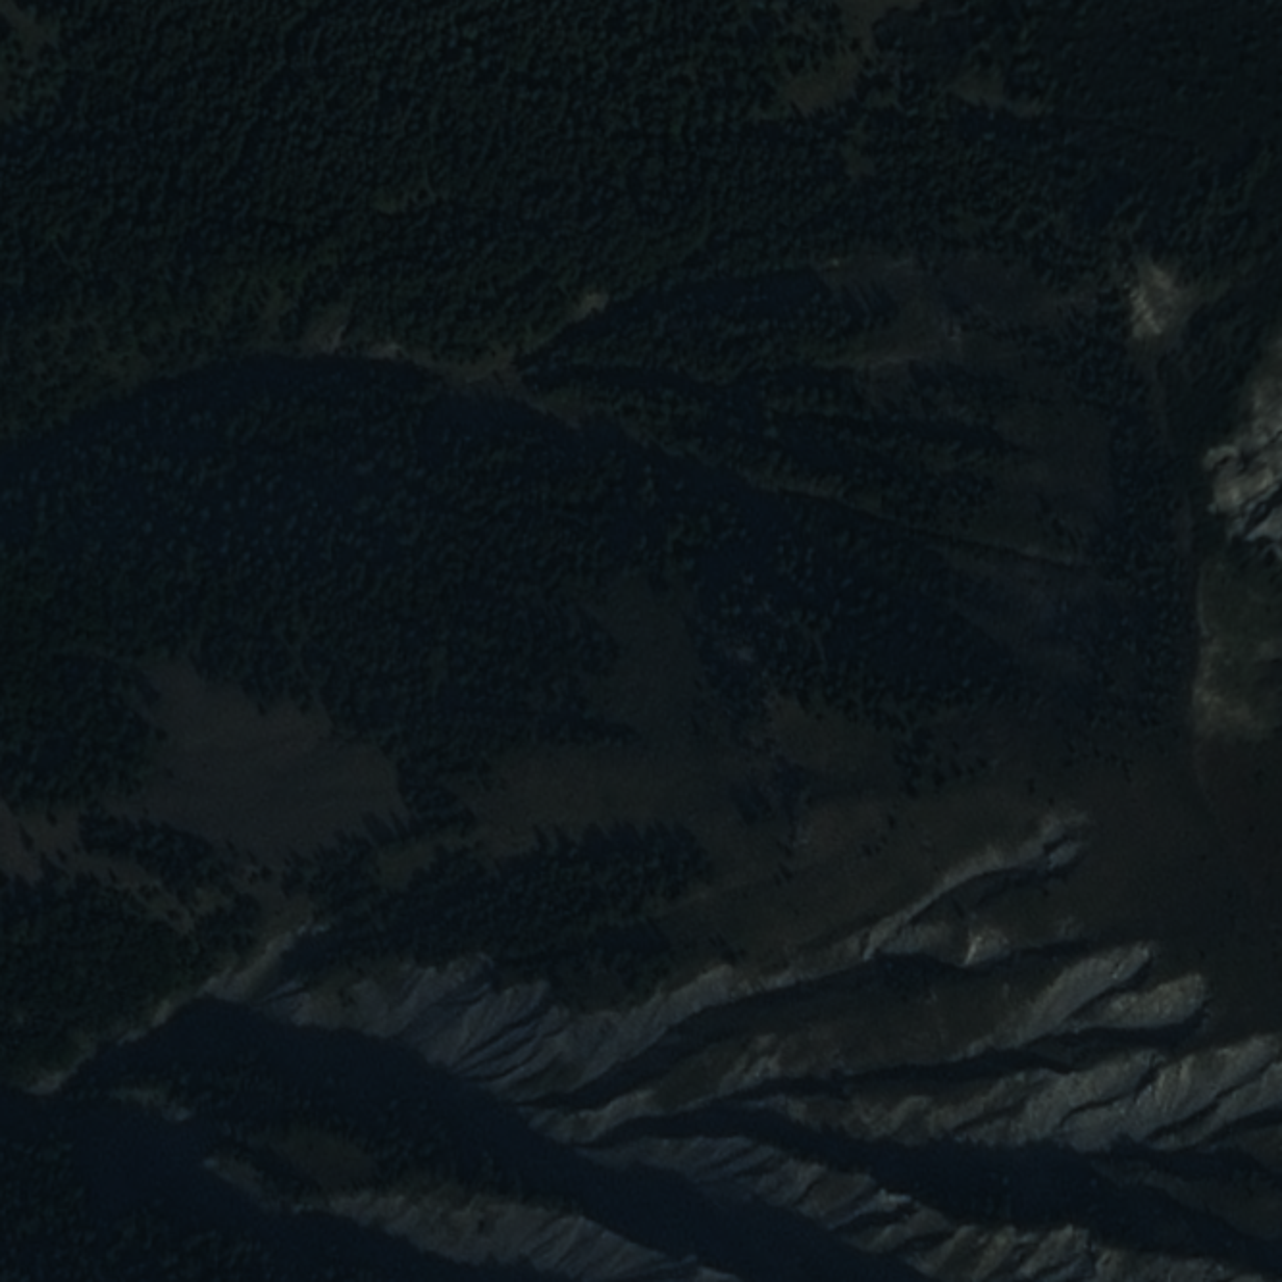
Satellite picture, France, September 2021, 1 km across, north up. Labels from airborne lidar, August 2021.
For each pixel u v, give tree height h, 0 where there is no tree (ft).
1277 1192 0
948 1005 0
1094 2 21
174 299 36
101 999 28
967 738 0
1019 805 0
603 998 0
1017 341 33
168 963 36
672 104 84
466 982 0
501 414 22
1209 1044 0
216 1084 36
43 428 50
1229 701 0
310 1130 30
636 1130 0
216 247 78
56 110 21
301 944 0
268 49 55
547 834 0
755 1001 0
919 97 41
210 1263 34
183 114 80
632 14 53
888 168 46
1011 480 0
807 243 65
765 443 38
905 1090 0
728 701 26
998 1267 0
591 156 72
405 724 73
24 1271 31
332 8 56
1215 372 28
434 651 57
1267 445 0
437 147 52
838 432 28
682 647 0
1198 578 0
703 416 36
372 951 38
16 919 36
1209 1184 0
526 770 0
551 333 29
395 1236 0
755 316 41
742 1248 0
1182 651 0
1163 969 0
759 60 65
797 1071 0
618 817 0
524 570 51
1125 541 24
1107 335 33
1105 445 0
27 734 36
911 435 36
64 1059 46
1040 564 0
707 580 39
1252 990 0
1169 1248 0
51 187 74
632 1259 0
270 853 0
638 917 42
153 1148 0
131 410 46
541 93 70
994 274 0
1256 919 0
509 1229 0
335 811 0
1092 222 18
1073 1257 0
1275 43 21
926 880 0
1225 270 40
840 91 0
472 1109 0
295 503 96
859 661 18
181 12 71
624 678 0
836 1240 0
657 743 0
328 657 51
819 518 17
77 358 55
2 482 43
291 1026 0
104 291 53
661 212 79
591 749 24
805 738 0
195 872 63
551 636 38
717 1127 0
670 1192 0
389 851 85
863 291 0
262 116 75
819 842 0
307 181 88
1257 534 0
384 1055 0
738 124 45
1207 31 20
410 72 90
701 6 34
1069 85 17
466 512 73
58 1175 33
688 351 34
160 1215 20
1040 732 0
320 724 0
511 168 99
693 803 0
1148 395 18
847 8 0
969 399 25
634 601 0
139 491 32
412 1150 22
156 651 52
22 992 40
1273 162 39
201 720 0
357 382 51
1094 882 0
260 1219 0
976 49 27
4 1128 21
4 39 56
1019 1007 0
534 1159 0
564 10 68
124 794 20
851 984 0
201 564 42
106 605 73
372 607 48
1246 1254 0
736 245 59
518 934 81
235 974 0
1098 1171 0
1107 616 0
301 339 36
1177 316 0
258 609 62
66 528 44
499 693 57
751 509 22
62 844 0
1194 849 0
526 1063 0
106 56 51
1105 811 0
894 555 26
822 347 77
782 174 53
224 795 0
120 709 30
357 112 91
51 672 57
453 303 65
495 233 88
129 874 0
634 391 47
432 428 45
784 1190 0
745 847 0
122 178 68
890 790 0
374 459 99
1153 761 0
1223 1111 0
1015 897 0
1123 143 22
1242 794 0
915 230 23
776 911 0
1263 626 0
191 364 29
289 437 43
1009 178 33
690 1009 0
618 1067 0
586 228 88
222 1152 39
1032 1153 0
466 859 34
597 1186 0
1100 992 0
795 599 28
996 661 19
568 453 34
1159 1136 0
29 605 34
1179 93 28
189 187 47
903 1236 0
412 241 46
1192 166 29
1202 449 21
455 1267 0
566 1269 0
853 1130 0
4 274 52
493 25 93
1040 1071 0
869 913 0
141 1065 38
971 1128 0
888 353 0
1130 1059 0
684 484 22
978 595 0
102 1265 30
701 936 0
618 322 51
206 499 0
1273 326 26
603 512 29
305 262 66
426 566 48
